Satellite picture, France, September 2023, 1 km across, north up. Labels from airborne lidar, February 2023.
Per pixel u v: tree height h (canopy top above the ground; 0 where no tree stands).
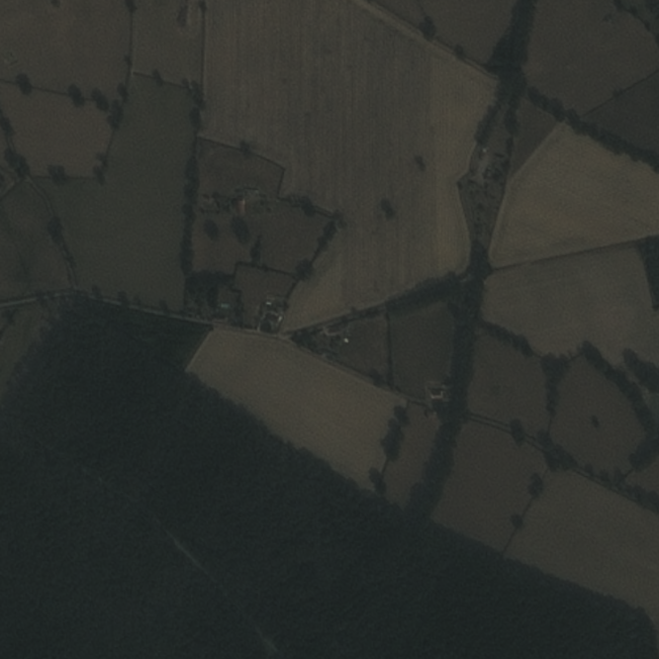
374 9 0
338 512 22
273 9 0
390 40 0
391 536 26
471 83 0
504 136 0
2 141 0
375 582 21
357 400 0
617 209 0
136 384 24
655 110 0
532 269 0
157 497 20
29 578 22
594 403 0
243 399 0
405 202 0
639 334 0
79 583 18
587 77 0
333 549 22
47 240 0
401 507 0
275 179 0
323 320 0
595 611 24
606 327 0
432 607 24
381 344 0
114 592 19
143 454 22
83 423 22
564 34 0
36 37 0
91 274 0
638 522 0
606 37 0
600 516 0
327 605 24
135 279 0
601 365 18
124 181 0
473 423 0
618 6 14
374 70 0
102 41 0
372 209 0
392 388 8
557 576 0
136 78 0
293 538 20
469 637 24
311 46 0
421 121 0
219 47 0
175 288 0
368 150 0
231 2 0
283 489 23
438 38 0
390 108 0
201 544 18
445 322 0
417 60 0
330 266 0
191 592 19
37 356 23
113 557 23
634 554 0
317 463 22
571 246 0
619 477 18
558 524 0
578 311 0
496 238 0
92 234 0
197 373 0
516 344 18
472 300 22
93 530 18
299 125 0
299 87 0
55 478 17
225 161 0
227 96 0
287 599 26
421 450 0
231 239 0
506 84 20
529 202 0
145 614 17
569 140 0
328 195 0
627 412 0
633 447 0
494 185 0
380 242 0
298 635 26
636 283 0
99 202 0
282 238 0
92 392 26
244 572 23
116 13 0
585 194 0
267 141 0
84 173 0
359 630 26
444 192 0
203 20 0
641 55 0
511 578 23
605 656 22
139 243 0
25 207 0
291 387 0
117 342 23
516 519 13
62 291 0
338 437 0
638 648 22
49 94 0
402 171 0
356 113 0
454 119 0
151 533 20
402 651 22
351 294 0
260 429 20
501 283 0
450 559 19
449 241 0
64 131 0
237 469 20
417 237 0
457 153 0
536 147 0
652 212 0
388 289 0
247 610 22
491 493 0
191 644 19
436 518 0
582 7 0
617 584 0
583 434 0
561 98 0
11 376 0
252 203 0
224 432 27
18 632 27
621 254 0
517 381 0
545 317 0
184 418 25
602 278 0
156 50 0
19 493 21
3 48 0
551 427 0
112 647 19
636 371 19
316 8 0
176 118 0
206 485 26
